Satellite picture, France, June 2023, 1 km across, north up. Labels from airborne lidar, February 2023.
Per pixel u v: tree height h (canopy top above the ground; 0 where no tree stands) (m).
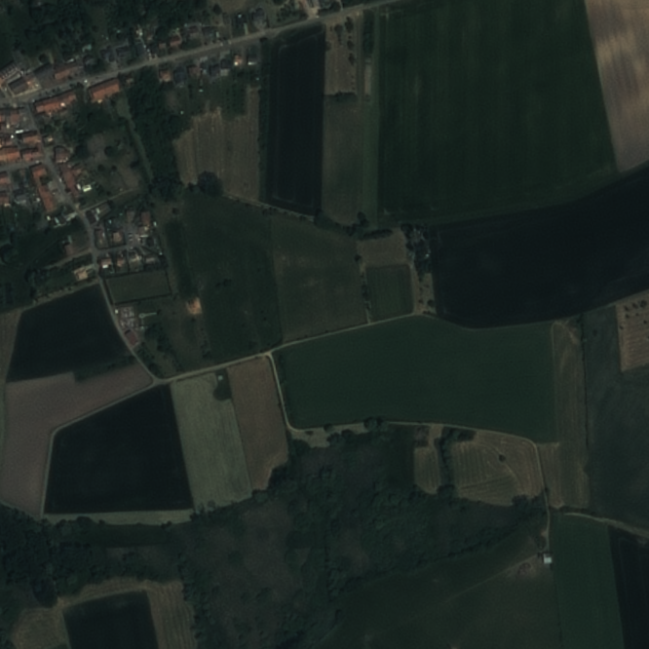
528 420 0
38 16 15
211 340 0
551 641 0
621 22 0
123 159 0
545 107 0
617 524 0
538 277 0
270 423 0
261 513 0
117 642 0
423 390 0
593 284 0
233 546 0
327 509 7
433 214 0
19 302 0
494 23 0
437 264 0
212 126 0
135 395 0
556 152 0
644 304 10
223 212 0
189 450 0
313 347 0
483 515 0
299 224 0
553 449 0
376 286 0
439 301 0
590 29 0
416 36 0
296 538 0
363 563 0
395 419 0
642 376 0
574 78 0
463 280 0
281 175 0
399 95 0
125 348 0
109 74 0
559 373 0
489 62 0
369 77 0
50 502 0
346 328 0
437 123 0
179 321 0
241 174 0
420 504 12
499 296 0
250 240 0
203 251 0
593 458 0
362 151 0
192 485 0
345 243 0
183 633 0
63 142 0
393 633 0
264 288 0
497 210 0
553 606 0
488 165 0
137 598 0
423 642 0
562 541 0
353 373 0
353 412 0
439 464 0
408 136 0
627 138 0
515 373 0
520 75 0
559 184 0
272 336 0
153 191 16
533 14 0
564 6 0
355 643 0
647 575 0
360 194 0
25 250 0
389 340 0
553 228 0
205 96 0
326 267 0
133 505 0
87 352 0
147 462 0
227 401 0
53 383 0
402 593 0
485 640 0
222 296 0
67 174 0
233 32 0
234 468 0
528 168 0
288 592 0
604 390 0
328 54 0
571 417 0
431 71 0
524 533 0
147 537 0
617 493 0
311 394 0
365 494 6
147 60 0
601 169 0
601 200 0
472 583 0
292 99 0
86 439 0
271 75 0
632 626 0
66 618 0
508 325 0
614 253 0
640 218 0
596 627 0
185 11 7
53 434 0
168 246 0
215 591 6
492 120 0
